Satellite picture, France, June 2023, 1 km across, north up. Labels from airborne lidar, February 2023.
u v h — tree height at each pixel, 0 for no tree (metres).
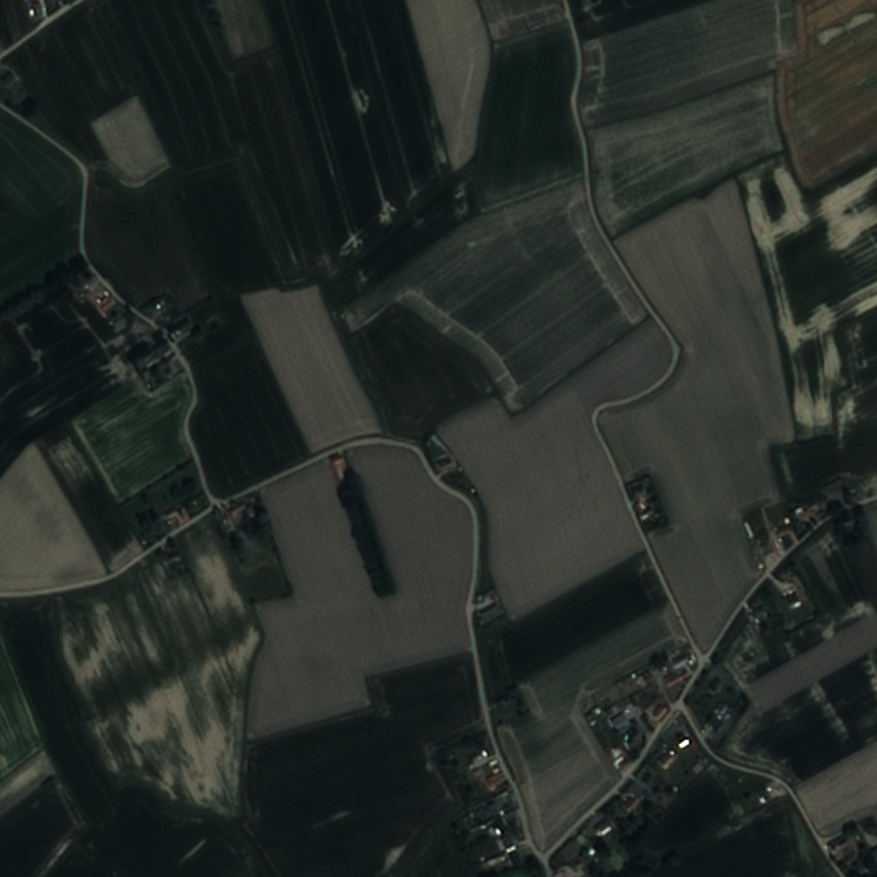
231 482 0
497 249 0
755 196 0
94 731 0
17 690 0
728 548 0
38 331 0
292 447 0
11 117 0
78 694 0
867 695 0
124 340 0
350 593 0
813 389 0
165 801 0
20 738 0
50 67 0
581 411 0
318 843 0
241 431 0
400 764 0
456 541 0
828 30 0
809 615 0
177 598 0
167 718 0
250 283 0
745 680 0
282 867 0
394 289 0
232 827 0
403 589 0
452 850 0
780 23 0
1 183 0
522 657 0
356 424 0
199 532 0
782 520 0
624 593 0
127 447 0
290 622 0
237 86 0
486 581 0
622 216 0
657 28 0
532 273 0
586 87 0
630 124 0
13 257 0
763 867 0
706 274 0
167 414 0
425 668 0
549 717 0
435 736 0
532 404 0
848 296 0
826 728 0
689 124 0
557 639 0
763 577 0
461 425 0
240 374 0
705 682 0
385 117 0
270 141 0
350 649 0
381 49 0
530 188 0
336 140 0
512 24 0
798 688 0
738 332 0
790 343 0
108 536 0
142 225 0
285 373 0
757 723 0
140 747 0
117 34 0
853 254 0
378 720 0
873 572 0
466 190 0
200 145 0
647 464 0
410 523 0
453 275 0
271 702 0
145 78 0
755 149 0
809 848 0
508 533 0
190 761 0
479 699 0
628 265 0
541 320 0
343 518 0
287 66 0
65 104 0
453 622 0
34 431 0
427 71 0
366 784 0
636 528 0
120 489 0
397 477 0
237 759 0
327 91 0
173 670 0
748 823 0
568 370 0
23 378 0
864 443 0
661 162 0
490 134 0
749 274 0
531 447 0
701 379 0
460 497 0
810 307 0
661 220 0
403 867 0
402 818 0
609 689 0
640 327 0
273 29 0
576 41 0
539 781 0
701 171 0
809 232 0
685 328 0
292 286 0
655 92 0
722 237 0
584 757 0
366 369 0
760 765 0
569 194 0
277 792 0
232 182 0
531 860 9
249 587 0
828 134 0
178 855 0
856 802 0
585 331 0
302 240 0
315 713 0
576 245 0
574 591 0
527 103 0
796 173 0
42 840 0
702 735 0
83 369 0
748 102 0
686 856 0
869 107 0
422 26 0
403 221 0
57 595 0
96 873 0
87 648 0
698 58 0
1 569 0
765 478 0
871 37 0
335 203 0
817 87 0
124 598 0
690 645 0
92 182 0
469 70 0
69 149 0
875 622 0
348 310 0
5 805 0
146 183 0
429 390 0
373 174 0
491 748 0
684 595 0
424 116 0
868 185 0
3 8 0
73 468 0
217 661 0
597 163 0
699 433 0
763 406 0
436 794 0
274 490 0
